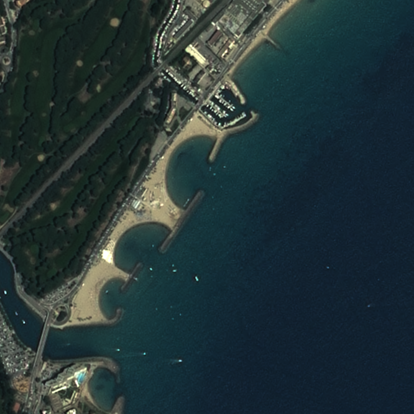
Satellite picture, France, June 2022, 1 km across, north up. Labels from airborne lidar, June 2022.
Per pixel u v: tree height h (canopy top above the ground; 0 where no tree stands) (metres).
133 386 0
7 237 13
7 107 13
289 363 0
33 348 0
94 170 0
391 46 0
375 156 0
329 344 0
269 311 0
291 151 0
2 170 0
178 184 0
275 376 0
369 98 0
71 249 0
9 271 0
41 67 0
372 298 0
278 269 0
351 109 0
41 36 0
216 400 0
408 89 0
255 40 0
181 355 0
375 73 0
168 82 11
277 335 0
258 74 0
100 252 0
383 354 0
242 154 0
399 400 0
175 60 10
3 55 0
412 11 0
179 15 0
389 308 0
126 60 9
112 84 0
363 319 0
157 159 0
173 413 0
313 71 0
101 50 0
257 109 0
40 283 18
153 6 12
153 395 0
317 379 0
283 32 0
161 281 0
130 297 0
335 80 0
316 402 0
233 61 0
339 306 0
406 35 0
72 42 11
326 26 0
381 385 0
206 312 0
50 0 0
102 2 15
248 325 0
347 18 0
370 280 0
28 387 0
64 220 20
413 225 0
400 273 0
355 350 0
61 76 15
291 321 0
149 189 0
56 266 0
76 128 0
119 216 0
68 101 11
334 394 0
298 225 0
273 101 0
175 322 0
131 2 11
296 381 0
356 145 0
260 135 0
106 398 0
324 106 0
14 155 14
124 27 15
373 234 0
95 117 14
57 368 0
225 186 0
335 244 0
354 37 0
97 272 0
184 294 0
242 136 0
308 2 0
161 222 0
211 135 0
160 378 0
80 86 0
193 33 0
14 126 0
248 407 0
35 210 15
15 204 13
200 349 0
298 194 0
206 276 0
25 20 9
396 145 0
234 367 0
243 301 0
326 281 0
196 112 0
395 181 0
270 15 0
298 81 0
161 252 0
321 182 0
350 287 0
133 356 0
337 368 0
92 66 0
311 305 0
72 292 0
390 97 0
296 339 0
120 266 0
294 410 0
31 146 16
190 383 0
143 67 11
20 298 0
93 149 17
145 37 0
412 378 0
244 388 0
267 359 0
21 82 0
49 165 18
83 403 0
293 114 0
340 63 0
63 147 15
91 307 0
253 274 0
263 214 0
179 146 0
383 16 0
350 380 0
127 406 0
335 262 0
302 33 0
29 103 15
